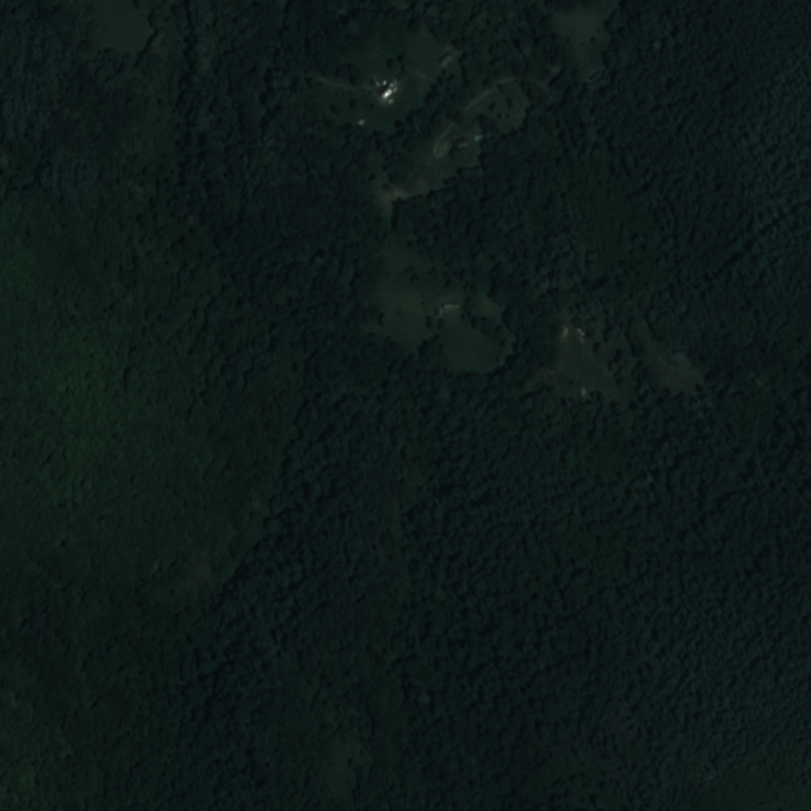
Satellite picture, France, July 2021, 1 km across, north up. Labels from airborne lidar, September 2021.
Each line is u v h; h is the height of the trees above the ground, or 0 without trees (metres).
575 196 6
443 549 29
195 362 24
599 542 7
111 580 18
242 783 13
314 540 24
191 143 12
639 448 26
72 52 15
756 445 13
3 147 10
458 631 10
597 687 12
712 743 11
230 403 22
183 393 31
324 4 8
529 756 6
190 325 10
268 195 22
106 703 24
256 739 17
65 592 14
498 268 7
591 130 24
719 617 17
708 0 27
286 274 24
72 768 19
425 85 0
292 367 14
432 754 12
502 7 23
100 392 19
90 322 17
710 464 27
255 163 33
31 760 23
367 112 0
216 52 23
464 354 0
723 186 18
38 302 16
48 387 20
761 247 24
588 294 17
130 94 21
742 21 24
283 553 22
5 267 17
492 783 14
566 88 19
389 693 32
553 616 11
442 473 24
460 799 15
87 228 29
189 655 23
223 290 8
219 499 26
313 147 24
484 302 0
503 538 24
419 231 19
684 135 24
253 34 26
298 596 24
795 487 8
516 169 26
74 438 23
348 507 26
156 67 32
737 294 26
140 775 15
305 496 9
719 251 10
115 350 25
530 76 19
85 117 24
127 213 20
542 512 23
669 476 13
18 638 26
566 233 15
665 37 19
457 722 21
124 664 22
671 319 21
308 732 11
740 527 19
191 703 29
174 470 28
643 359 14
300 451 8
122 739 11
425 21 22
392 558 10
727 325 23
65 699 19
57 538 24
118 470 24
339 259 27
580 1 13
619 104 26
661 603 18
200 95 28
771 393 11
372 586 23
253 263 27
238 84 20
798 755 9
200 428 29
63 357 18
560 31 0
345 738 12
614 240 9
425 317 0
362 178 20
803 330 22
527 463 25
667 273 11
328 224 18
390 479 22
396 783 14
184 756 12
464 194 23
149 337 24
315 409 10
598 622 13
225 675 12
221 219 22
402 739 15
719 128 30
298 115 28
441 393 21
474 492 20
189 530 25
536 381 35
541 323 23
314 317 25
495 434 23
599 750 9
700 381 0
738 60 22
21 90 29
